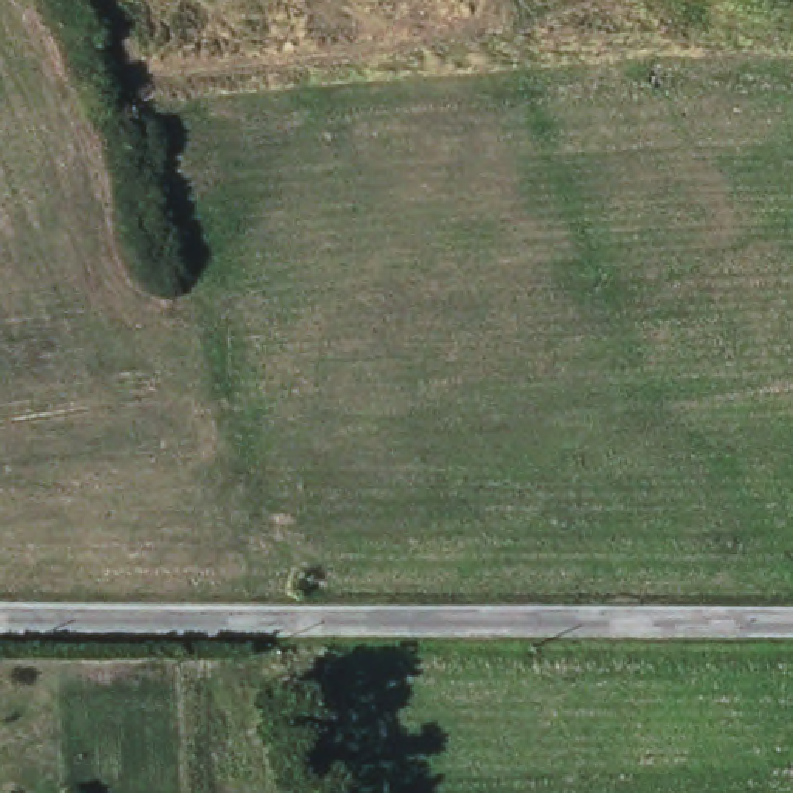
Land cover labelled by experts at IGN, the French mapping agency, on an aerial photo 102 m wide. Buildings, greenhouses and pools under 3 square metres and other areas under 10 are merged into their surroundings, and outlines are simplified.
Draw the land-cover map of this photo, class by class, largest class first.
<instances>
[{"label":"agricultural land","instance_id":"1","mask_svg":"<svg viewBox=\"0 0 793 793\"><path fill-rule=\"evenodd\" d=\"M77 81L65 68L62 46L43 22V15L37 12L34 0H0V601L793 607V59H750L747 50L728 53L716 43L703 46V59L647 56L641 62L520 68L511 74L300 87L251 96H208L186 102L177 112H167L158 124L164 139V164L158 189L161 217L177 229L183 260V269L177 276L180 297H158L146 285H139L124 263V245L115 229V192L102 152V136L87 121V108L74 105ZM313 681L322 688V700L331 703V725L304 753V768L313 778H322L335 762L350 759L359 778L356 793H793V638H356L344 654H325L310 669Z\"/></svg>","mask_w":793,"mask_h":793},{"label":"herbaceous vegetation","instance_id":"2","mask_svg":"<svg viewBox=\"0 0 793 793\"><path fill-rule=\"evenodd\" d=\"M585 0H511L508 28L520 37H533L536 22L548 12ZM644 9L660 15L666 37H675L681 46H703L716 43L728 53L747 50L750 59H793V0H647ZM356 638H282L273 651H254L242 660H0V793H279L276 771L269 765V747L260 740L257 694L269 678L285 685L288 672L310 669L325 654H344Z\"/></svg>","mask_w":793,"mask_h":793},{"label":"pervious surface","instance_id":"3","mask_svg":"<svg viewBox=\"0 0 793 793\"><path fill-rule=\"evenodd\" d=\"M647 0H585L548 12L536 22L533 37H520L508 28L511 0H90L93 12L105 25L102 50L105 74L115 87L112 105L124 108L146 90V96L161 112H177L186 102L208 96H251L300 87L511 74L520 68L641 62L647 56L703 59V46H681L675 37H666L660 15L644 9Z\"/></svg>","mask_w":793,"mask_h":793},{"label":"brushwood","instance_id":"4","mask_svg":"<svg viewBox=\"0 0 793 793\"><path fill-rule=\"evenodd\" d=\"M37 12L43 15V22L62 46L65 68L77 81L74 105L87 108V121L102 136V152L115 192V229L124 245V263L139 285H146L158 297H180L177 276L183 269V260L177 229L161 217L158 189L164 164V139L158 124L167 112H161L146 96V90L124 108L112 105L115 87L105 74L102 50L105 25L93 12L90 0H34ZM282 638L260 632H186L136 635V644H9L0 635V660H242L254 651H273ZM260 740L269 747V765L276 771L279 793H356L359 778L350 759L335 762L322 778H313L304 768V753L331 725V703L322 700V688L313 681L310 669L288 672L285 685L269 678L257 694Z\"/></svg>","mask_w":793,"mask_h":793},{"label":"impervious surface","instance_id":"5","mask_svg":"<svg viewBox=\"0 0 793 793\"><path fill-rule=\"evenodd\" d=\"M186 632H260L282 638H793V607L0 601V635L9 644H136V635Z\"/></svg>","mask_w":793,"mask_h":793}]
</instances>
